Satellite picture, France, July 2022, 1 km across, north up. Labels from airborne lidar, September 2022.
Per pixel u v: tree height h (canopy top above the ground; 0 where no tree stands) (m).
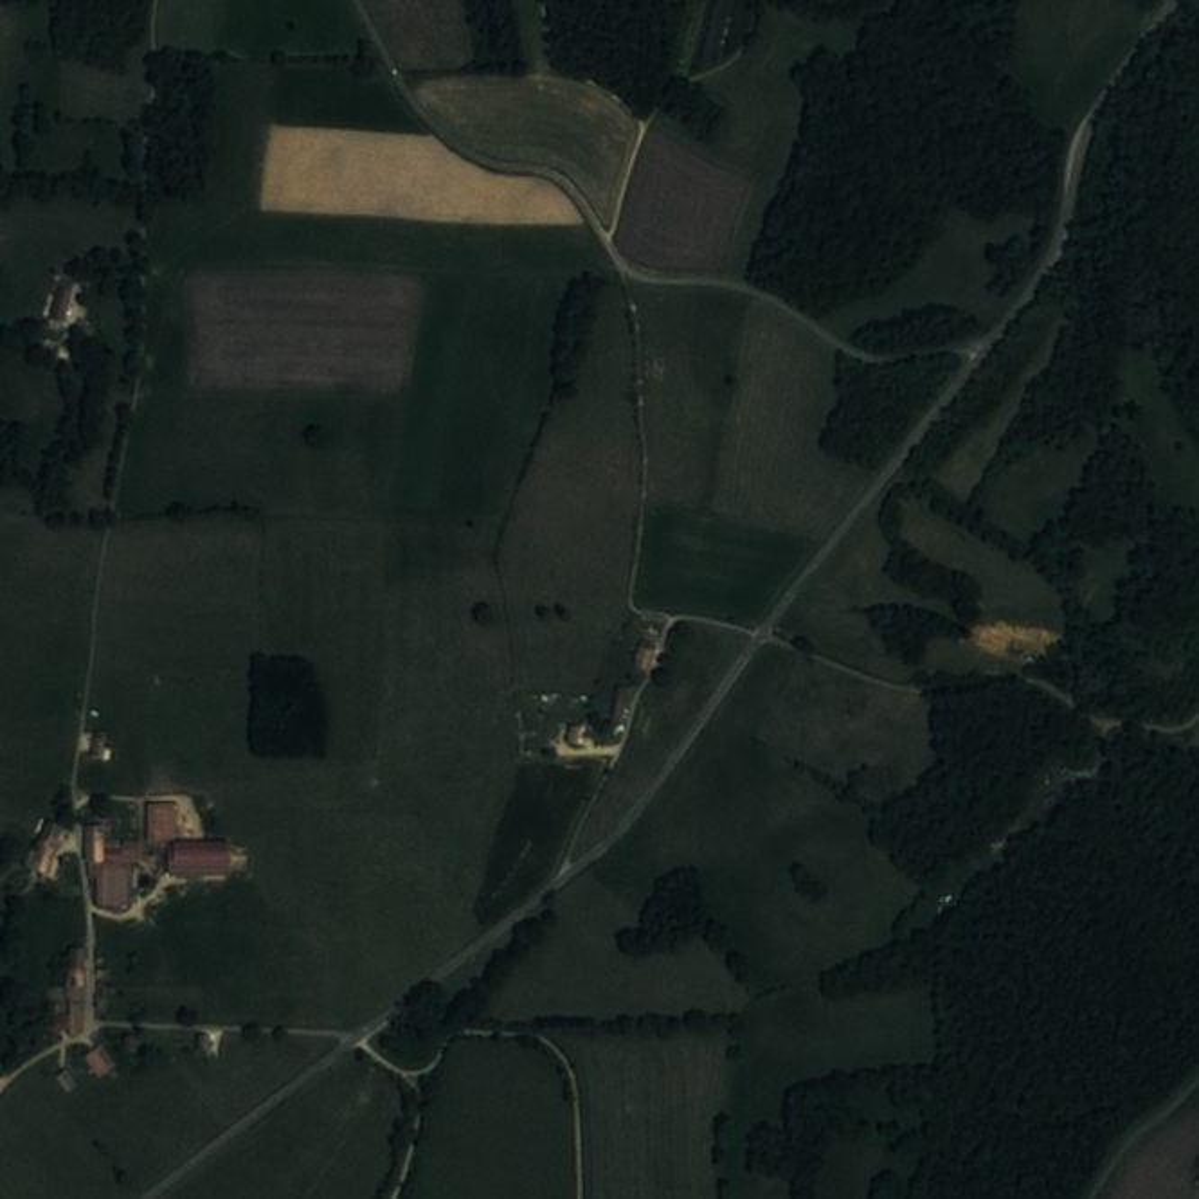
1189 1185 0
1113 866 13
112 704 0
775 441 0
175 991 0
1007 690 22
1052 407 9
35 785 0
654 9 19
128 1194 0
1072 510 14
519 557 0
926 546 0
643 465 0
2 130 0
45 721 0
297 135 0
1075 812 19
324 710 12
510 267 0
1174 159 18
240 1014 0
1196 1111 0
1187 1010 10
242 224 0
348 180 0
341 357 0
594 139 0
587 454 0
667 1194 0
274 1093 0
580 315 21
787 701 0
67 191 21
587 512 0
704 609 0
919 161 25
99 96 0
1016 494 0
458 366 0
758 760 0
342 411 0
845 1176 0
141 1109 0
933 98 31
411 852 0
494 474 0
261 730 17
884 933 0
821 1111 22
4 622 0
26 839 0
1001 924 21
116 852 0
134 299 23
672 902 19
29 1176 0
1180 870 16
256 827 0
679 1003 0
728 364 0
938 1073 18
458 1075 0
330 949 0
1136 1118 11
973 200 17
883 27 20
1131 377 0
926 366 11
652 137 0
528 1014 0
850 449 13
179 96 18
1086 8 0
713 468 0
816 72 22
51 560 0
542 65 0
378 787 0
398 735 0
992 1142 12
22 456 27
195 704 0
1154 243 19
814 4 19
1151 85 14
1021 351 0
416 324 0
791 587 0
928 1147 16
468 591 0
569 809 0
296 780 0
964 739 17
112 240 0
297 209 0
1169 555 22
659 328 0
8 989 16
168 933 0
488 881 0
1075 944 15
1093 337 20
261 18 0
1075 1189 10
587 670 0
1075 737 20
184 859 0
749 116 0
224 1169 0
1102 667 16
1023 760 17
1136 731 19
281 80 0
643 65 22
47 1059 0
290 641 0
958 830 18
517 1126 0
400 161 0
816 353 0
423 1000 25
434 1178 0
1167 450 0
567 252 0
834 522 0
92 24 18
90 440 21
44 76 0
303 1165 0
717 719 0
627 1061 0
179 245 0
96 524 17
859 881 0
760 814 0
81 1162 0
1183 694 9
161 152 8
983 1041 13
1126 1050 8
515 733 0
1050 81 0
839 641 0
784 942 0
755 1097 0
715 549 0
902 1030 0
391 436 0
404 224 0
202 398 0
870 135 27
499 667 0
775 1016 0
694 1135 0
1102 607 0
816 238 22
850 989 11
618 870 0
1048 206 12
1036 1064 15
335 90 0
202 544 0
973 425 8
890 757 0
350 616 0
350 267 0
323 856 0
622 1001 0
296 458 0
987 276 0
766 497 0
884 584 0
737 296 0
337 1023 0
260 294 0
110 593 0
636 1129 0
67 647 0
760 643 0
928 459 12
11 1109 0
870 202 14
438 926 0
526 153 0
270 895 0
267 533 0
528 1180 0
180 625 0
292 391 0
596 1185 0
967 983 11
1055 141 17
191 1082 0
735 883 0
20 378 0
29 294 0
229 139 0
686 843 0
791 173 9
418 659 0
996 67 22
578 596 0
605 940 0
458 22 0
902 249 17
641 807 0
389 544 0
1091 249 14
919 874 18
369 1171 0
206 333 0
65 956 6
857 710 0
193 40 0
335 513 0
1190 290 19
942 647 0
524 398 0
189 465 0
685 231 0
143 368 10
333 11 0
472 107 0
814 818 0
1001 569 0
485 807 0
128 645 0
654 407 0
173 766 0
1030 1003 12
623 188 0
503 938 0
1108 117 17
